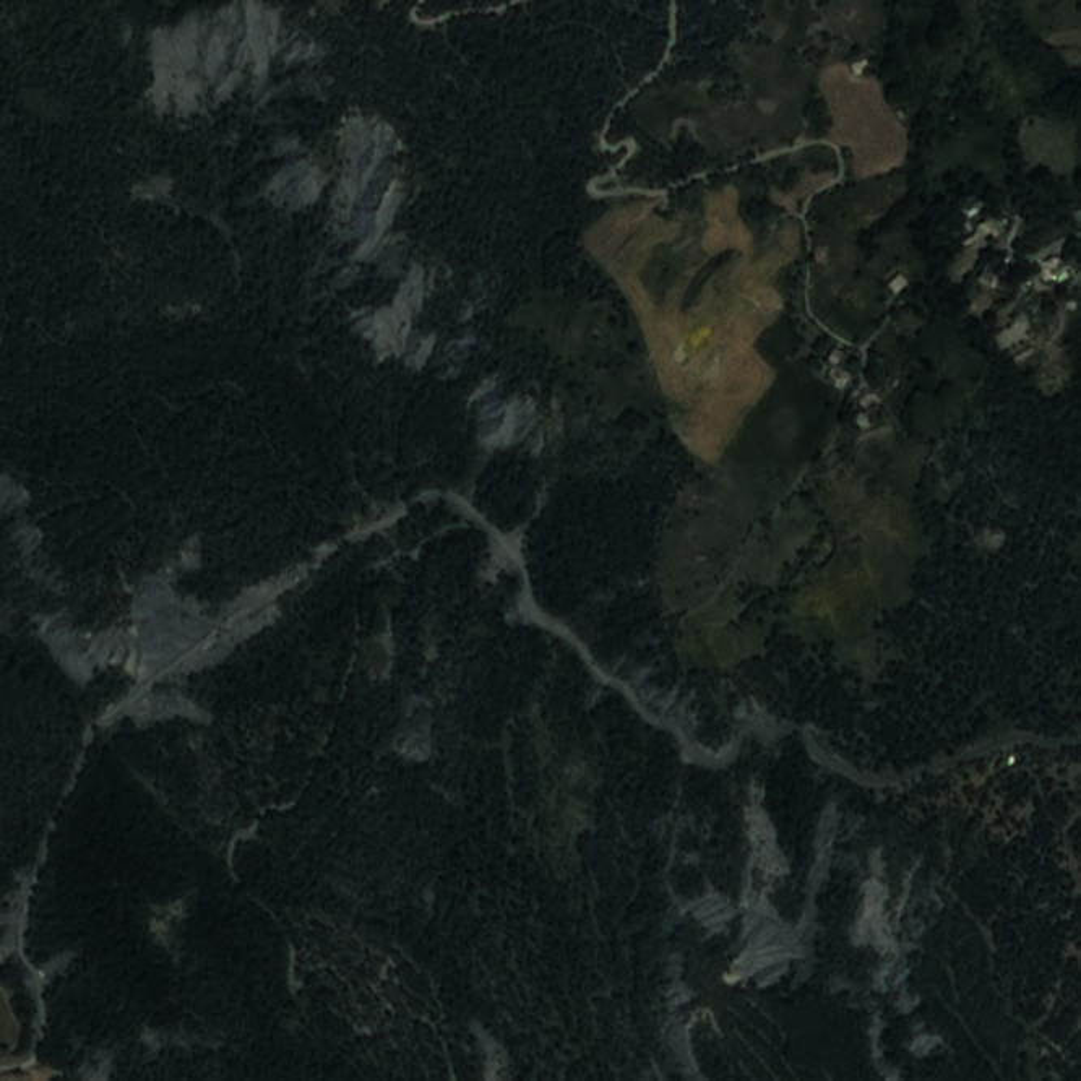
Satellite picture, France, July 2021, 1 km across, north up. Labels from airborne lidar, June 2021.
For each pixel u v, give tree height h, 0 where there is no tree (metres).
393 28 7
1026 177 13
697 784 7
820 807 10
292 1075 9
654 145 7
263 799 8
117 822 8
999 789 6
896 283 0
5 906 11
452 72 10
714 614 0
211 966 6
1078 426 13
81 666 0
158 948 6
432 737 6
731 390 0
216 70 0
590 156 7
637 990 16
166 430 9
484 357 11
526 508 12
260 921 11
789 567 9
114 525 13
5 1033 0
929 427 0
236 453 7
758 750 7
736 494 0
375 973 13
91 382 12
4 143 12
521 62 14
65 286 11
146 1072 11
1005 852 10
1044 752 6
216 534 9
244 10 0
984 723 14
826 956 14
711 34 15
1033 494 12
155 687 6
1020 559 12
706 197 0
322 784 8
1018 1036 11
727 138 0
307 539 9
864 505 0
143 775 15
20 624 14
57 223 14
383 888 11
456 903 14
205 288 15
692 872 13
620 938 14
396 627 9
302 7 6
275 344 11
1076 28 0
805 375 0
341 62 8
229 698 13
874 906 0
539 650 10
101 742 8
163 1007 7
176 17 10
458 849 7
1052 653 10
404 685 7
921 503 10
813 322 7
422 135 6
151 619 0
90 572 7
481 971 18
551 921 12
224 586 10
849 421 8
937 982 13
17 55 8
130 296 13
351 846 11
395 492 18
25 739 22
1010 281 9
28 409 10
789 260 0
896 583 0
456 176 7
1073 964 11
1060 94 18
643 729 10
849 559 0
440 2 9
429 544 6
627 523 16
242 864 12
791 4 8
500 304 9
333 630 7
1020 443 10
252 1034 7
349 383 17
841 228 0
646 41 7
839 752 9
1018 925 11
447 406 17
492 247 9
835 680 9
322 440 8
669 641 9
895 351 0
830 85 0
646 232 0
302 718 20
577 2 10
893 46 12
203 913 7
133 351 11
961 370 0
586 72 11
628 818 17
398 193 0
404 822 16
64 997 6
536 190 14
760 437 0
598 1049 9
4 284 9
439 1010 16
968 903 6
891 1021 14
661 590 7
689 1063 0
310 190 0
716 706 7
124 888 6
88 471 12
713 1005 8
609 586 13
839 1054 15
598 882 14
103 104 9
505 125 10
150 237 17
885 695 7
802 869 11
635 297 0
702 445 0
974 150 0
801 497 10
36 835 16
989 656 8
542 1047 18
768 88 0
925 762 12
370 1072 16
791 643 10
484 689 6
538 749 13
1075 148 0
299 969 11
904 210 12
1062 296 12
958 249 14
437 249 9
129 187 11
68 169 13
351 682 10
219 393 10
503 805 13
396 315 0
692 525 0
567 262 8
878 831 11
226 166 14
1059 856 9
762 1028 13
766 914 0
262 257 7
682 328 0
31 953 17
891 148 0
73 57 8
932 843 10
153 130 10
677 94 0
